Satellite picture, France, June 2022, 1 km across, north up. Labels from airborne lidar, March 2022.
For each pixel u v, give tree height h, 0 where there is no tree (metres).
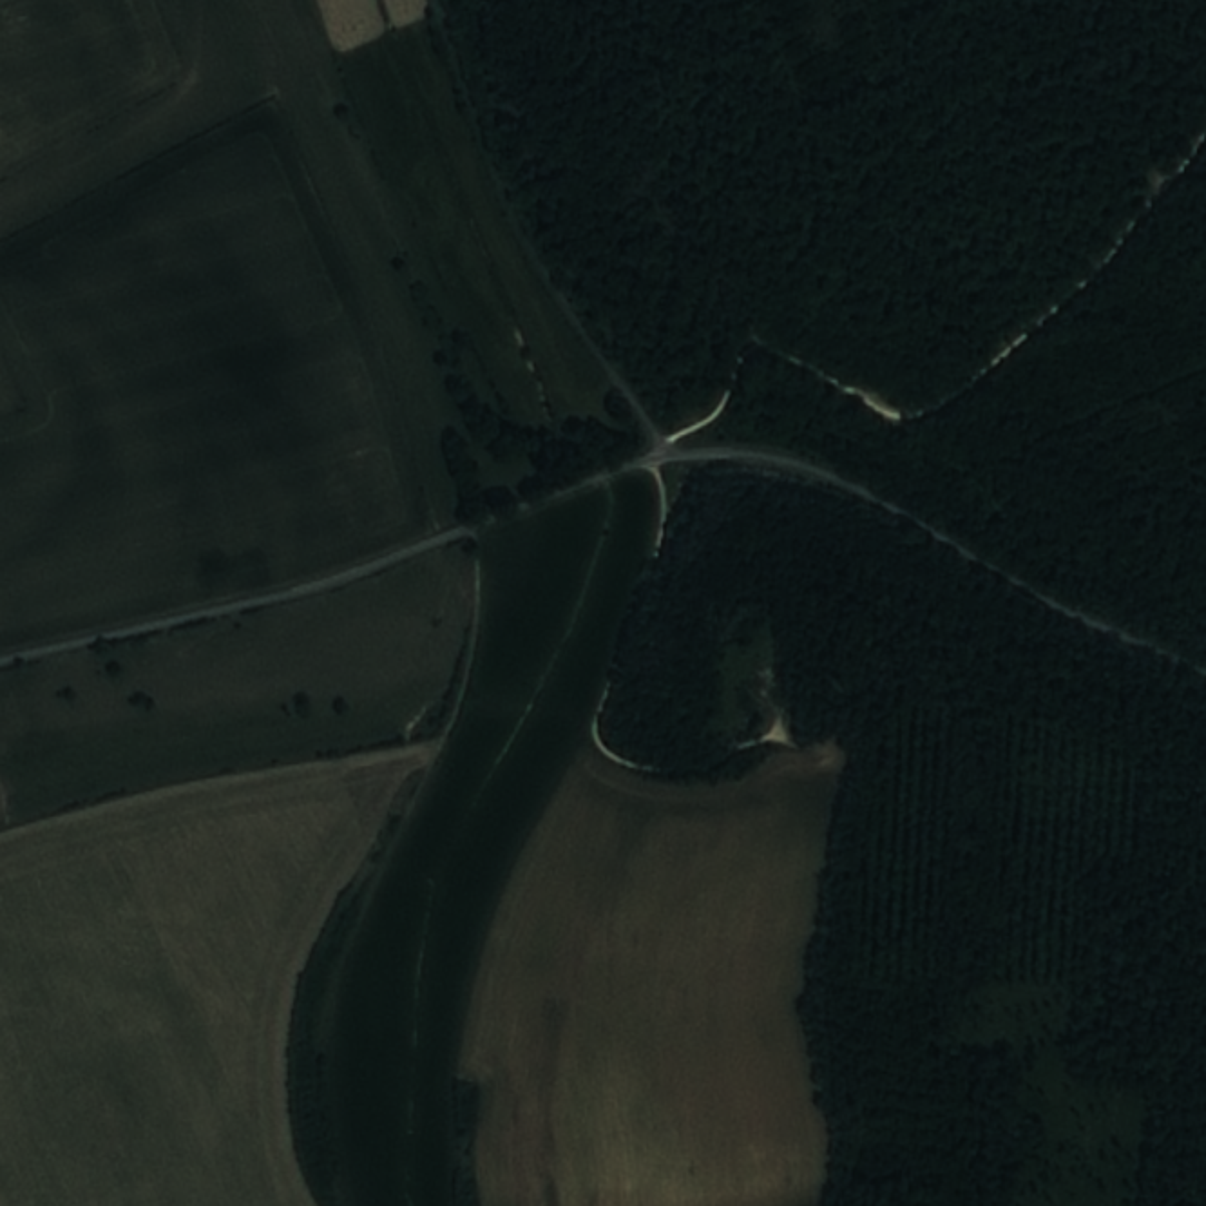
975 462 16
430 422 0
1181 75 20
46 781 0
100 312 0
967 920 21
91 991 0
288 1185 0
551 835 0
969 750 20
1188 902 19
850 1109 16
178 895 0
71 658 0
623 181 21
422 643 0
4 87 0
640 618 13
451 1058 0
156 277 0
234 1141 0
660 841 0
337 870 0
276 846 0
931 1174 13
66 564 0
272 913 0
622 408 19
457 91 10
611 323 0
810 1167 0
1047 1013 0
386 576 0
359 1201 0
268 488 0
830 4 0
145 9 0
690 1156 0
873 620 22
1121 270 19
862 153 17
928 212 18
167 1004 0
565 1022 0
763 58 17
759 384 13
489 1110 0
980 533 24
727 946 0
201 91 0
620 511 0
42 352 0
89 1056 0
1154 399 8
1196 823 23
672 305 19
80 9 0
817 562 20
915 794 0
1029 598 18
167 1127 0
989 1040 0
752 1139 0
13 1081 0
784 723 0
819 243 19
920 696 18
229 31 0
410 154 0
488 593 0
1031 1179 0
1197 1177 16
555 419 9
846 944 18
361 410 0
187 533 0
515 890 0
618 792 0
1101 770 0
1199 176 20
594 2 16
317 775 0
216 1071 0
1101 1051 24
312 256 0
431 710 0
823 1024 16
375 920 0
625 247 16
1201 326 6
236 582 0
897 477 21
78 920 0
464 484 17
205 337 0
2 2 0
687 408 0
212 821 0
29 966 0
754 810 0
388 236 0
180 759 0
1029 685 22
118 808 0
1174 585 20
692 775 12
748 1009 0
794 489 16
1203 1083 21
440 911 0
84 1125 0
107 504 0
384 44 0
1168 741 22
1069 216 14
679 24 19
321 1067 8
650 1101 0
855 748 14
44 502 0
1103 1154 0
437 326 6
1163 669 16
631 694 6
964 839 22
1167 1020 20
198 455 0
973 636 19
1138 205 18
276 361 0
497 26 22
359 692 0
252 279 0
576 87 18
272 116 0
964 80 18
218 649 0
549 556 0
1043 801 0
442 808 0
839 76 6
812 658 16
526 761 0
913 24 17
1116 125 19
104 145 0
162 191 0
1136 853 19
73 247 0
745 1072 0
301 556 0
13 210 0
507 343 0
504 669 0
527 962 0
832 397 16
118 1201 0
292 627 0
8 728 0
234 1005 0
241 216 0
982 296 20
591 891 0
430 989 0
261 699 0
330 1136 6
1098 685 24
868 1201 23
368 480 0
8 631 0
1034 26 18
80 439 0
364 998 0
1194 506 20
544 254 13
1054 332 17
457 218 0
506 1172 0
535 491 18
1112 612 16
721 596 15
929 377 16
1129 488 10
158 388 0
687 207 20
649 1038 0
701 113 19
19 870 0
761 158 19
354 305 0
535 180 16
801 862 0
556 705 0
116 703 0
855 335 17
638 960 0
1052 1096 0
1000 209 18
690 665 14
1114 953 18
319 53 0
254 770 0
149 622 0
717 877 0
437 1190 0
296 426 0
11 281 0
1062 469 18
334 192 0
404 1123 0
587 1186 0
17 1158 0
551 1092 0
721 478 11
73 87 0
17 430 0
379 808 0
